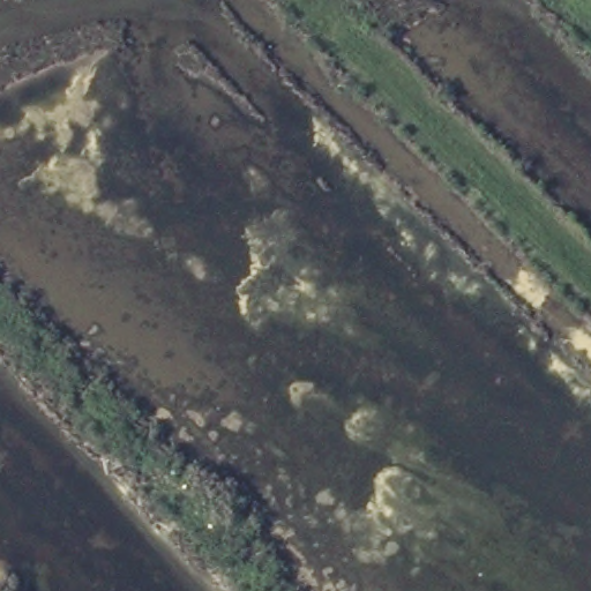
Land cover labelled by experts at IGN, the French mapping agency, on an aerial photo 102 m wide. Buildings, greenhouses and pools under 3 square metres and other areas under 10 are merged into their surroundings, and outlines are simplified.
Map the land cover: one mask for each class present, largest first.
<instances>
[{"label":"water","instance_id":"1","mask_svg":"<svg viewBox=\"0 0 591 591\"><path fill-rule=\"evenodd\" d=\"M219 7H229L231 14L240 21V25L263 46L268 58L282 62L289 69L293 83L300 90H307L316 99V104H321L335 122L344 125L351 139H356L374 157L379 171L390 180H397L399 185L406 192H411L416 196V203L422 210H427L436 222H441L443 229L476 261L485 263L489 275L506 286L508 296L515 298L517 293L515 286L519 272V259L506 245H503L471 215L464 201H459L455 194L441 187L436 173L420 164L392 132L381 129L369 111L358 106L353 99L339 95L326 81L314 58L302 48L300 39L282 28V23L275 18V14L268 9L263 0H0V51L7 46L62 35L92 23H115L120 28V42L109 53L99 62L97 74L85 92L88 99L97 102V111L92 115L95 125L104 118H111L113 122L111 129L104 132L97 141L102 152V166L97 171V194L92 199L90 212H83L78 205L67 203L62 192H44L42 171L37 166L46 164L58 148L53 122L44 125V141H37L35 125L14 139H5L0 134V282L9 284L12 296L25 300L32 326H42L58 342L69 344L67 362L78 372L81 381L104 383L115 399L132 404L139 411V416L157 429V443L169 446L182 464L201 469L205 478L212 476L215 480H231L233 517H254L263 531H272L277 538H282L284 547L296 559L298 579H302L312 591H591V358L573 344V337L582 323L554 298H547L543 305L533 307L524 316L515 314L476 272H471L441 242L439 235H434L411 210L399 205L386 199H374L372 187L362 185L342 166V162L349 157V145L339 148L335 155H330L323 145H316L312 122L307 106L282 85L279 76L272 74L252 51L238 44L235 35L219 14ZM182 44L194 46L212 67H217V72L238 92H242L259 113H263V122L252 120L233 99H229L208 78L185 72L175 55L178 46ZM125 65H132L134 74L139 76V102L132 104L127 102V95L113 85V81L122 76ZM247 226L256 231L261 240L275 238L277 245L268 247L261 256V272L247 289V314H240L235 286L249 272V245L245 240ZM298 381L314 383L330 397L321 404L305 395L298 404H291L289 386ZM360 409H374L376 416L383 420V427L379 432H372L365 441H353L349 439L344 425ZM383 469H399L397 476L388 480V485L395 492L386 494V503L392 508V515L369 519L367 503L374 496V478ZM418 18L395 25L390 42L422 76H427L429 83H434L436 88H441V92L450 97L452 106L466 120L480 125L492 139H496L508 150L510 159L519 162L522 173L531 182H536L556 208L570 212L591 235V81L586 78L579 62L563 48V44L552 32H547L543 23L531 14L529 0H418ZM72 76L58 65H55V72H51L44 78L30 81L23 88L14 83L0 85V129L16 125L28 106L53 109L55 104H62L65 88L69 85ZM0 591H222L208 573L199 570L194 563L180 556V552L169 543L166 533L152 536L148 517H143L118 492L115 482L104 473V469L90 457H85L48 416H44L37 409V404H32L23 395L16 379H12L0 367Z\"/></svg>","mask_w":591,"mask_h":591},{"label":"brushwood","instance_id":"2","mask_svg":"<svg viewBox=\"0 0 591 591\"><path fill-rule=\"evenodd\" d=\"M268 9L275 14V18L282 23V28L300 39L302 48L314 58L326 81L339 95L353 99L358 106L369 111L381 129L392 132L420 164L436 173L441 187L455 194L459 201H464L471 215L503 245L508 240L510 226L503 217L496 215V210L489 203L480 201V189H469L462 171L439 162L434 150L418 139V127L411 120L397 115V111H392L383 102V97L376 92L372 83L360 78L342 60L337 46L330 39L319 37L309 28H305L300 9L289 0H263ZM369 28L390 42L395 25L418 18V0H360ZM531 14L543 23L547 32H552L563 44V48L579 62L586 78L591 81V32L584 25H579L575 16L563 14V18H556V9L545 7L538 0H529ZM219 14L235 35L238 44L252 51L272 74L279 76L282 85L307 106L312 122H326L332 129L339 148L349 145V157L356 159L358 166L367 173L379 171L374 157L356 139H351L344 125L335 122L321 104H316V99L307 90H300L293 83L289 69L282 62L268 58L263 46L240 25V21L231 14L229 7H219ZM120 42V28L115 23H92L62 35L7 46L0 51V85L14 83L18 76L32 74L42 65H58L62 58L76 53H109ZM399 205L411 210L434 235H439L441 242L471 272H476L515 314L524 316L533 307L524 296L517 293L515 298L508 296L506 286L489 275L485 263L476 261L443 229L441 222H436L427 210H422L416 203V196L411 192H406L399 185ZM519 259V272H533L547 289V298H554L582 323L591 326V300L584 293H579L570 282H566L545 259H540L524 235L513 238L506 245ZM69 344L58 342L42 326H32L25 300L12 296L9 284L0 282V367L12 379H16L23 395L32 404H37V409L44 416H48L85 457H90L104 469V473L115 482L118 492L143 517H148L152 536L166 533L169 543L180 552V556L194 563L199 570L208 573L222 591H312L302 579H298L296 559L284 547L282 538H277L272 531H263L254 517H233L231 480H215L212 476L205 478L201 469L182 464L169 446L157 443V429L139 416V411L132 404L115 399L104 383L81 381L78 372L67 362Z\"/></svg>","mask_w":591,"mask_h":591},{"label":"herbaceous vegetation","instance_id":"3","mask_svg":"<svg viewBox=\"0 0 591 591\"><path fill-rule=\"evenodd\" d=\"M300 9L305 28H309L319 37L330 39L337 46L342 60L360 78L372 83L376 92L383 97V102L392 111H397V115L411 120L418 127V139L434 150L439 162L462 171L469 189H480V201L489 203L496 210V215L503 217L510 226L508 240L503 245H506L513 238L524 235L540 259H545L566 282H570L579 293H584L591 300V235L570 212L556 208L536 182H531L522 173L519 162L510 159L508 150L496 139H492L480 125L466 120L452 106L450 97L441 92V88H436L434 83H429L427 76H422L390 42L369 28L360 0H289ZM545 7L556 9V18H563V14L575 16L579 25H584L591 32V0H538ZM175 55L185 72L208 78L229 99H233L252 120L263 122V113H259L242 92H238L217 72V67H212L194 46L182 44L178 46Z\"/></svg>","mask_w":591,"mask_h":591},{"label":"bare soil","instance_id":"4","mask_svg":"<svg viewBox=\"0 0 591 591\"><path fill-rule=\"evenodd\" d=\"M109 53H76L62 58L58 65L72 76L69 85L65 88L62 104H55L53 109L28 106L16 125L0 129V134L5 139H14L35 125L37 141H44V125L53 122L58 148L46 164L37 166L42 171L44 192H62L67 203L78 205L83 212H90L92 199L97 194V171L102 166V152L97 141L104 132L111 129L113 122L111 118H104L95 125L92 115L97 111V102L88 99L85 92L97 74L99 62ZM51 72H55V65H42L32 74L18 76L14 83L23 88L30 81L44 78ZM113 85L127 95V102L132 104L139 102V76L134 74L132 65H125L122 76L113 81ZM316 145H323L330 155H335L339 148L332 129L326 122H312ZM342 166L362 185L372 187L374 199H386L399 205V185L397 180H390L379 171L367 173L358 166L356 159L349 157L342 162ZM245 240L249 245V272L235 286L240 314H247V289L261 272V256L268 247L277 245L275 238L261 240L256 231L247 226ZM517 293L524 296L533 307L543 305L547 298V289L533 272H519L515 286ZM573 344L591 358V326L582 323L573 337ZM305 395L321 404L330 397L314 383L298 381L289 386L291 404H298ZM383 427V420L376 416L374 409H360L344 425L349 439L353 441H365L372 432H379ZM399 469H383L374 478V496L367 503L369 519L392 515V508L386 503V494L395 492L388 485V480L397 476Z\"/></svg>","mask_w":591,"mask_h":591}]
</instances>
